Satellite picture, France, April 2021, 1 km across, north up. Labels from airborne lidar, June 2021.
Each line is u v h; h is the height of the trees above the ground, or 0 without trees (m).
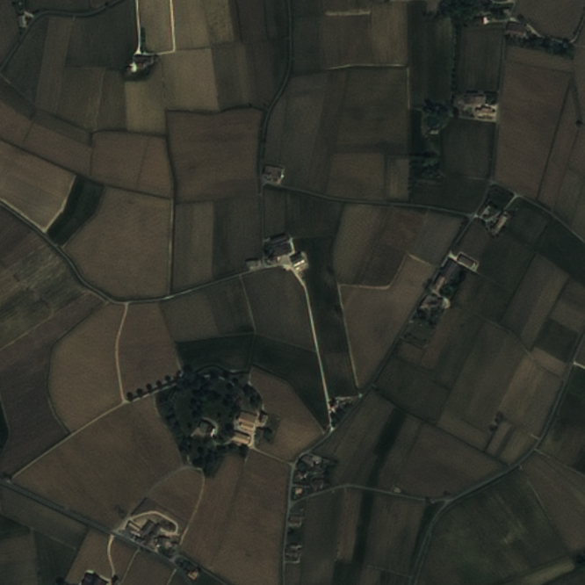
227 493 0
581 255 0
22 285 0
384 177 0
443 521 0
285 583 0
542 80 0
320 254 0
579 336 0
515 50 0
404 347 0
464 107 0
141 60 0
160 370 0
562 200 0
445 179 0
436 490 0
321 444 0
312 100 0
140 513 0
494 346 0
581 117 0
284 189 0
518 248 0
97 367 0
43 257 0
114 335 0
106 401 0
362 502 0
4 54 0
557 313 0
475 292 0
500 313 0
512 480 0
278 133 0
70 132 0
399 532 0
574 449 0
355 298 0
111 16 0
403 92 0
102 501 0
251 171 0
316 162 0
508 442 0
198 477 0
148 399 0
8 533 0
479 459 0
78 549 0
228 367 0
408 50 0
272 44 0
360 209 0
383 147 0
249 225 0
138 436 0
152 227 0
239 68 0
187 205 0
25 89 0
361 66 0
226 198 0
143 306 0
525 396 0
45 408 0
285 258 0
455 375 0
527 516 0
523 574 0
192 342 0
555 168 0
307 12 0
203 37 0
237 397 8
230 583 0
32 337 0
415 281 0
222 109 0
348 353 0
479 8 13
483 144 0
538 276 0
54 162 0
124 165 0
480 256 0
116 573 0
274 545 0
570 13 0
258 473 0
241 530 0
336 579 0
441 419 0
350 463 0
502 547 0
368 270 0
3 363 0
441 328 0
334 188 0
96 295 0
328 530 0
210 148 0
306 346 0
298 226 0
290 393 0
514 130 0
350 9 0
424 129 0
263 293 0
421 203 0
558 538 0
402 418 0
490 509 0
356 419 0
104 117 0
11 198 0
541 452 0
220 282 0
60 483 0
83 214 0
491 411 0
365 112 0
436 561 0
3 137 0
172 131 0
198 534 0
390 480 0
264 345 0
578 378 0
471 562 0
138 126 0
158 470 0
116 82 0
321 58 0
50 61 0
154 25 0
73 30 0
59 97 0
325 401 0
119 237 0
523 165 0
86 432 0
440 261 0
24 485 0
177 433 18
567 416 0
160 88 0
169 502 0
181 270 0
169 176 0
